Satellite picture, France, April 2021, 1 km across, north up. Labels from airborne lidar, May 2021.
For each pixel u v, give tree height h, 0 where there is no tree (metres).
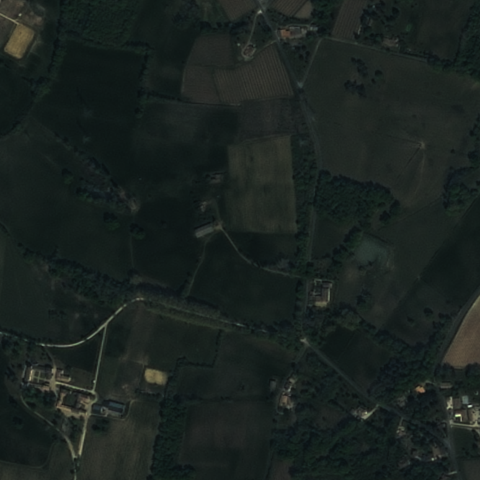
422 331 0
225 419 0
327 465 9
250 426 0
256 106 0
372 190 23
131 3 7
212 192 0
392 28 7
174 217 0
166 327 0
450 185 18
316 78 0
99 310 0
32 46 0
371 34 7
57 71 15
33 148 0
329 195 18
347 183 19
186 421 17
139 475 0
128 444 0
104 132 0
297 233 0
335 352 0
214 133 0
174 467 18
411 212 0
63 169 0
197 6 16
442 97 0
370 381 0
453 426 0
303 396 9
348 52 0
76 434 14
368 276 0
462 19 0
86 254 0
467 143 0
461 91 0
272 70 0
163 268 0
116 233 0
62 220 0
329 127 0
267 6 0
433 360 16
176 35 0
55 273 20
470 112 0
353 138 0
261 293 0
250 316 0
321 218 12
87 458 0
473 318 0
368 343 0
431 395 13
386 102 0
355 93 9
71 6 17
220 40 0
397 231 0
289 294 0
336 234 0
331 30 9
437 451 0
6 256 0
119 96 0
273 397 10
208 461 0
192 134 0
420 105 0
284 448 18
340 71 0
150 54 13
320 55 0
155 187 0
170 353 0
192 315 24
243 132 0
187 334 0
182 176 0
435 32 0
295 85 0
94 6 14
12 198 0
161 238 0
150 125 0
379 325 0
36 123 0
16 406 23
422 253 0
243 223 0
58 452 0
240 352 0
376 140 0
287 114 0
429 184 0
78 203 0
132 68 0
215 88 0
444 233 0
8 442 0
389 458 7
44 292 0
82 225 0
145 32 0
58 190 0
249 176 0
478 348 0
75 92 0
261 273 0
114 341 0
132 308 11
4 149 0
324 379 8
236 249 0
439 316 0
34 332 0
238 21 0
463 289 0
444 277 0
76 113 0
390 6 0
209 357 0
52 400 17
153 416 0
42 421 0
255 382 0
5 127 0
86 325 0
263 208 0
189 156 0
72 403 0
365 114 0
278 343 13
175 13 0
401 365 17
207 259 0
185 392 0
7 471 0
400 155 0
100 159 0
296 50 9
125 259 0
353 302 0
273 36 14
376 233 0
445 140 0
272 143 0
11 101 0
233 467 0
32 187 0
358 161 0
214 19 0
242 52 0
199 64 0
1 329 9
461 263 0
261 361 0
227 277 0
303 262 18
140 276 16
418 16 0
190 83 0
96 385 0
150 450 0
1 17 0
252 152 0
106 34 19
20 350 13
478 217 0
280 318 0
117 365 0
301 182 13
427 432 9
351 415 13
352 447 14
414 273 0
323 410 0
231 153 0
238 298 0
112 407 0
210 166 0
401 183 0
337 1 20
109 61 0
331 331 20
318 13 12
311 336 16
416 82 0
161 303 27
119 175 0
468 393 0
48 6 0
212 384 0
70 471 0
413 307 0
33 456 0
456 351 0
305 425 16
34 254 7
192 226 0
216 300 0
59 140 16
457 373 15
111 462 0
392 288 0
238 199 0
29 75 0
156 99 16
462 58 13
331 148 0
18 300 0
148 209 0
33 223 0
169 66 0
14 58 0
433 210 0
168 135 0
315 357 15
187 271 0
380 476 11
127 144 0
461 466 0
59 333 0
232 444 0
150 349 0
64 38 15
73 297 0
